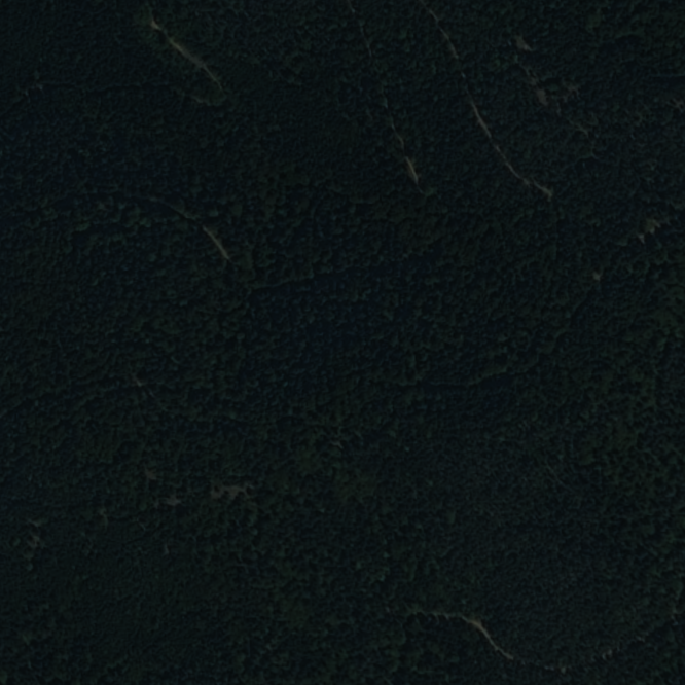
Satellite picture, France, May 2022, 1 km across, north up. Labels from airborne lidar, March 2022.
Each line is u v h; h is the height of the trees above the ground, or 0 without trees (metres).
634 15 29
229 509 13
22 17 19
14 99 17
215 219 38
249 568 8
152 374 32
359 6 19
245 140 29
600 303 21
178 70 20
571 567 32
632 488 21
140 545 12
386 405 27
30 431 29
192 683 26
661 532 38
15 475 20
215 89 17
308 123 23
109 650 15
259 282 30
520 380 25
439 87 24
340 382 31
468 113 24
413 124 23
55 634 20
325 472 30
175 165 32
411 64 23
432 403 32
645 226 18
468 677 26
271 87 16
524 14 14
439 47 23
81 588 19
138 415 28
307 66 15
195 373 36
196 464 19
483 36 25
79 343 32
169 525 12
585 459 24
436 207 20
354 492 32
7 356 18
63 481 24
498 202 22
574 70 20
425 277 36
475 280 30
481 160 26
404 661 29
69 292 30
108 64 27
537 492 30
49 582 24
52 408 29
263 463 29
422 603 28
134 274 25
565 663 12
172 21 17
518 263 26
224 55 13
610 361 21
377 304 36
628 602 26
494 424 23
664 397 39
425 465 30
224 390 30
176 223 33
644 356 32
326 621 27
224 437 32
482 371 28
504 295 29
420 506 25
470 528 30
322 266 31
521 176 8
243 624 21
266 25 17
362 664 31
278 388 31
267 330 21
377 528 33
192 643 16
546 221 24
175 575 14
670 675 28
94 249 30
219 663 16
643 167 30
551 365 24
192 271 34
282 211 20
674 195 34
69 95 21
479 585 14
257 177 24
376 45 22
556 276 24
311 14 15
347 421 26
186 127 23
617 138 6
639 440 16
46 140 33
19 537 14
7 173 36
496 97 28
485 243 31
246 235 36
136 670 17
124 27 23
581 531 30
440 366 24
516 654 21
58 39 26
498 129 26
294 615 27
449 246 33
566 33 27
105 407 27
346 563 30
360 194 23
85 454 14
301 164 28
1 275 36
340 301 21
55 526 19
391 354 23
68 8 27
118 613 12
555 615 17
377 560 27
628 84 24
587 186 26
